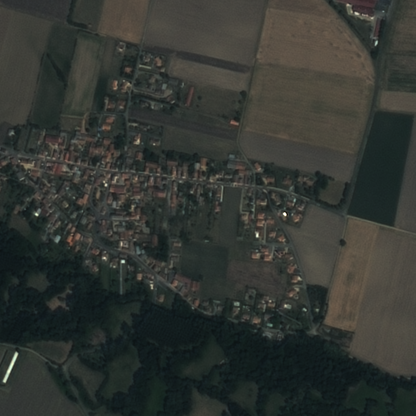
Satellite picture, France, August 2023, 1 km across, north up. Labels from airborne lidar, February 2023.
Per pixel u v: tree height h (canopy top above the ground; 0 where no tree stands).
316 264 0
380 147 0
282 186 0
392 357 0
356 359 9
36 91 0
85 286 36
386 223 0
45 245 14
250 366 0
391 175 0
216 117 0
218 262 0
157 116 0
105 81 0
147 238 0
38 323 23
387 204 0
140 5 0
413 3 0
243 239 0
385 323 0
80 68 0
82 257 10
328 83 0
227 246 0
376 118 0
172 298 0
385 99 0
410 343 0
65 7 0
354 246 0
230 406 14
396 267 0
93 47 0
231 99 0
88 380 0
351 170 0
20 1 0
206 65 0
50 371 8
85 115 0
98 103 0
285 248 0
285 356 15
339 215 0
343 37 0
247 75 0
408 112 0
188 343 30
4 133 0
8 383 0
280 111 0
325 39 0
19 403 0
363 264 0
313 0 0
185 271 0
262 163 0
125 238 0
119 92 0
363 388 0
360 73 0
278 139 0
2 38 0
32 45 0
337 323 0
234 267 0
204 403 0
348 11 0
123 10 0
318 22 0
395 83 0
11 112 0
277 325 17
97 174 0
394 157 0
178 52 0
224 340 22
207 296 0
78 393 0
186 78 0
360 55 0
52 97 0
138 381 27
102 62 0
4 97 0
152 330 31
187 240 7
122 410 11
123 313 0
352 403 0
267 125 0
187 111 0
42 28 0
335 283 0
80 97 0
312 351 30
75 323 18
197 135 0
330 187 0
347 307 0
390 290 0
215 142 0
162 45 0
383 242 0
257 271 0
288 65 0
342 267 0
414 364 0
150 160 12
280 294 0
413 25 0
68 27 0
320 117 0
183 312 21
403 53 0
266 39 0
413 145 0
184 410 14
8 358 0
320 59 0
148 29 0
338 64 0
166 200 0
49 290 12
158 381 0
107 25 0
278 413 0
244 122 0
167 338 34
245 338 20
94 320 35
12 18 0
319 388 18
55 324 31
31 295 19
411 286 0
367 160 0
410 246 0
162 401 0
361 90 0
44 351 0
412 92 0
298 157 0
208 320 7
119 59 0
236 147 0
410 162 0
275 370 12
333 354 34
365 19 0
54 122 0
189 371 0
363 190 0
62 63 0
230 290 0
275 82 0
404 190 0
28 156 0
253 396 0
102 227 0
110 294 10
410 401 0
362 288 0
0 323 7
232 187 0
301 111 0
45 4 0
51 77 0
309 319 0
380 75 0
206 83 0
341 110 0
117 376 0
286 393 23
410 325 0
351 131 0
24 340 15
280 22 0
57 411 0
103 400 15
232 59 0
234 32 0
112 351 36
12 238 13
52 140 0
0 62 0
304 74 0
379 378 28
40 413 0
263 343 19
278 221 0
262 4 0
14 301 27
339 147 0
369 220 0
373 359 0
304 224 0
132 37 0
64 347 0
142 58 8
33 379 0
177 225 0
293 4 0
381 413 0
